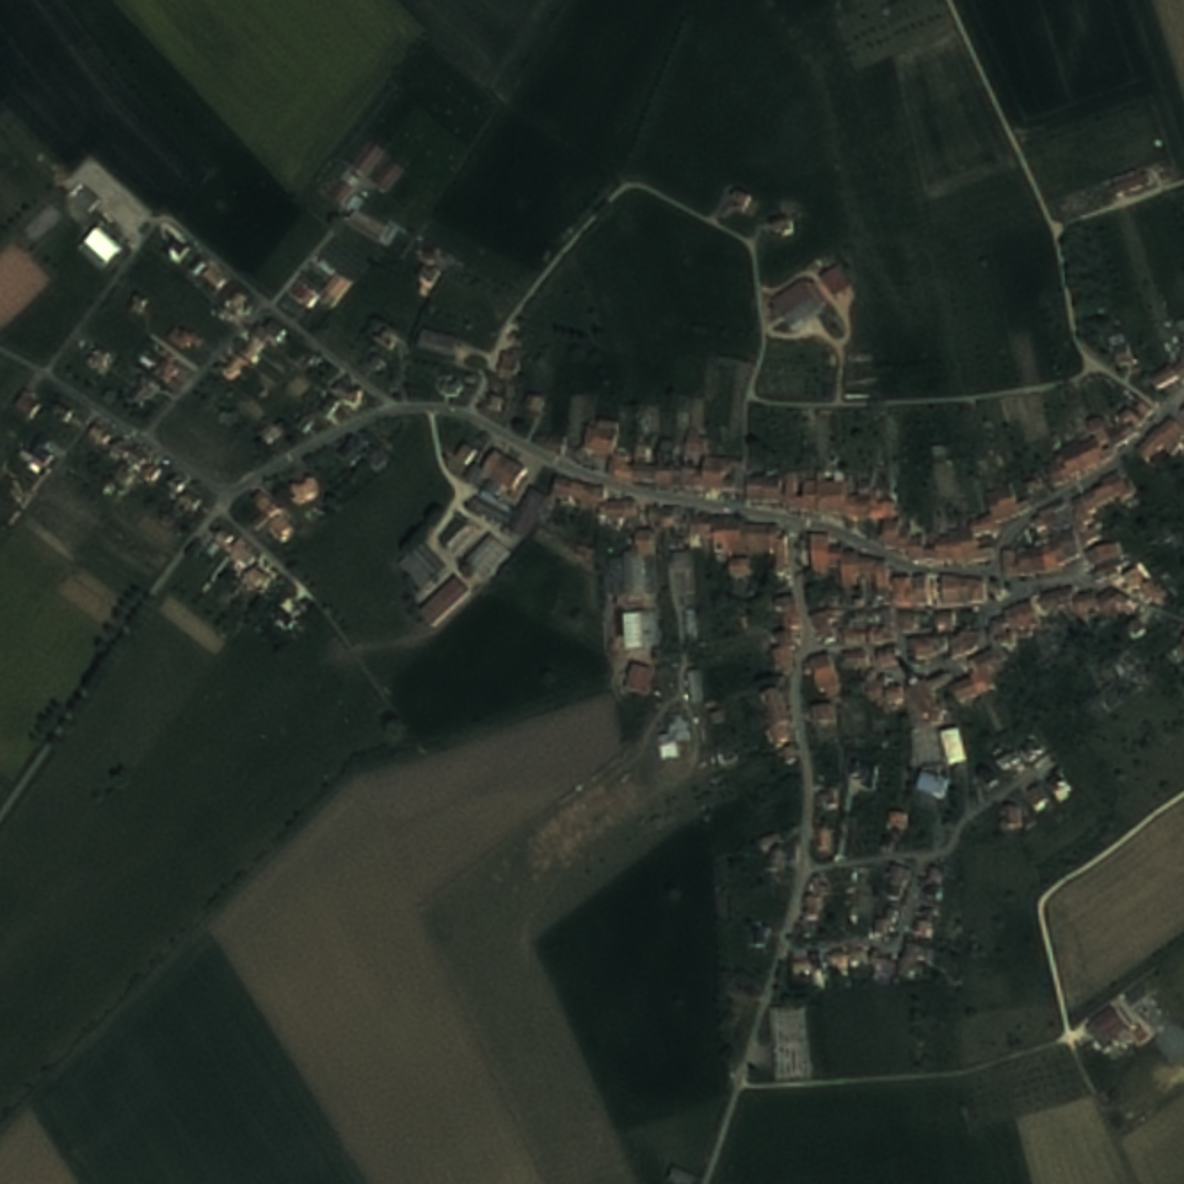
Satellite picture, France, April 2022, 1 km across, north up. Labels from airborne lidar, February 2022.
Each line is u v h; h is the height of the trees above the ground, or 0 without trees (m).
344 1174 0
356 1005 0
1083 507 0
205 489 6
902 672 0
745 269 0
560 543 0
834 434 0
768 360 0
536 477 0
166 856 0
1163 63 0
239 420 6
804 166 0
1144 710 0
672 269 0
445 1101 0
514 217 0
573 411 0
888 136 0
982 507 0
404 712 0
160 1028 0
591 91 0
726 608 14
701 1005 0
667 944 0
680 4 0
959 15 0
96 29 0
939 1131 0
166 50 0
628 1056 0
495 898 0
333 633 0
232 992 0
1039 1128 0
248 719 0
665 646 8
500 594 0
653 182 0
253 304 0
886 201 0
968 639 0
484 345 0
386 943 0
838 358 0
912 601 0
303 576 13
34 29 0
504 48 0
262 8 0
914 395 0
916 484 0
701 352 0
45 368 0
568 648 0
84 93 0
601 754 0
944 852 0
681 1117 0
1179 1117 0
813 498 0
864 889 0
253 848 0
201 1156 0
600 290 0
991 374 0
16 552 0
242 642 0
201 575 0
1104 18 0
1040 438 0
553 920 0
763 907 0
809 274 0
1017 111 0
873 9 0
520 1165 0
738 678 0
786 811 0
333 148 0
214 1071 0
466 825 0
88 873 0
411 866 0
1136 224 0
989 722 0
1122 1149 0
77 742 0
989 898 0
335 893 0
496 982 0
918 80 0
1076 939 0
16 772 0
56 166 0
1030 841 8
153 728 0
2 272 0
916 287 0
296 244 0
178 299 0
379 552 0
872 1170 0
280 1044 0
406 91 0
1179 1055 0
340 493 7
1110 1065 0
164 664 0
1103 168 0
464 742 0
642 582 0
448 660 0
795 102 0
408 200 0
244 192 0
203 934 0
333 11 0
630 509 0
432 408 0
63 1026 0
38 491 0
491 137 0
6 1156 0
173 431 0
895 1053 0
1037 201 0
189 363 0
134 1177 0
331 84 0
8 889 0
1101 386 0
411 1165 0
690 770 0
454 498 0
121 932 0
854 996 0
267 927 0
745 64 0
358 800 0
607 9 0
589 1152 0
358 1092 0
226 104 0
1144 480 0
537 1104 0
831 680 0
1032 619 0
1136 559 0
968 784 0
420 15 0
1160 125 0
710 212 0
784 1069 0
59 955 0
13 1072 0
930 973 6
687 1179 0
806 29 0
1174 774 0
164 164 0
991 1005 0
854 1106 0
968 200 0
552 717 0
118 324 0
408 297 0
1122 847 0
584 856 0
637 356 0
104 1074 0
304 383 0
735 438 0
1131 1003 0
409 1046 0
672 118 0
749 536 0
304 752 0
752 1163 0
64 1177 0
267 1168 0
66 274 0
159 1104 0
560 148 0
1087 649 8
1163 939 0
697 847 0
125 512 0
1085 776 0
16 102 0
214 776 0
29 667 0
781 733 0
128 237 0
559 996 0
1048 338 0
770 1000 0
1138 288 0
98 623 0
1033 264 0
